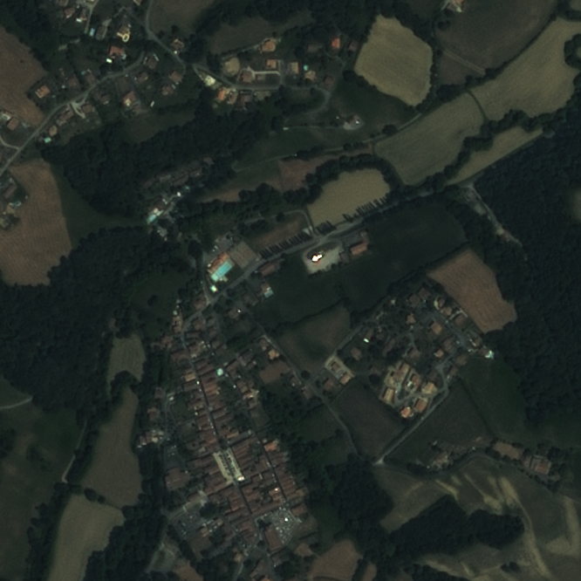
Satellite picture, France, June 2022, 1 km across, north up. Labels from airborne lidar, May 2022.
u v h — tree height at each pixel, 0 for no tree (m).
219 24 20
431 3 0
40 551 23
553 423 0
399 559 24
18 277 0
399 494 0
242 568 0
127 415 0
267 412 12
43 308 31
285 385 7
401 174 0
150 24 0
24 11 13
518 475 0
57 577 0
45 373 25
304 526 0
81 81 9
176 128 13
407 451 0
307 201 23
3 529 0
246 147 26
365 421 0
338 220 0
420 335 0
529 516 0
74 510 0
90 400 24
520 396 0
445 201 17
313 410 8
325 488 28
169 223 14
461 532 17
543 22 0
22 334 29
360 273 0
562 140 27
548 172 24
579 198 0
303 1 29
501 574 0
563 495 0
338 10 25
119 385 22
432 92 10
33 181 0
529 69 0
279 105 15
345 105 0
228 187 0
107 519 0
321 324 0
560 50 0
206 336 10
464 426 0
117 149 26
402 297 8
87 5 0
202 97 15
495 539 17
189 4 0
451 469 10
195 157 10
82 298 29
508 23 0
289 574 15
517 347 20
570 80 0
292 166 0
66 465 0
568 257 20
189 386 0
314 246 0
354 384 0
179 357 0
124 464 0
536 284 29
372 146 0
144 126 0
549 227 25
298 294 0
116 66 7
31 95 10
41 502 0
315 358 0
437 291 13
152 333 0
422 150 0
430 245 0
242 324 0
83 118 0
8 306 28
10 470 0
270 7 27
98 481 0
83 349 23
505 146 0
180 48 8
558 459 21
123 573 18
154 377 22
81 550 0
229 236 6
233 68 0
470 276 0
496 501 0
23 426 0
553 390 22
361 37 15
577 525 0
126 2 0
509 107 0
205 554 13
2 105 0
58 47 0
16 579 0
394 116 0
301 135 0
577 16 7
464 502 0
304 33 8
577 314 20
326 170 19
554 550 0
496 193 23
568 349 24
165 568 0
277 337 13
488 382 0
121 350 0
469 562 0
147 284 0
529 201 22
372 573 0
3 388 0
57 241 0
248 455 0
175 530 9
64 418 0
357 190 0
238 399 6
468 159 19
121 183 28
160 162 7
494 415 0
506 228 16
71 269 22
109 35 6
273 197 24
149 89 0
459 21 0
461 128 0
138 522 16
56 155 25
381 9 23
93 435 13
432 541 23
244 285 9
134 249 27
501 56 0
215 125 23
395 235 0
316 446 23
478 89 0
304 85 8
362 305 0
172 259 24
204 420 0
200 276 7
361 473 11
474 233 22
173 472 0
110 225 0
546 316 24
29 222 0
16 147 0
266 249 0
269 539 0
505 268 29
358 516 10
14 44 0
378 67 0
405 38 0
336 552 0
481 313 0
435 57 10
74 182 24
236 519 0
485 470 0
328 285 0
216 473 0
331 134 0
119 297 34
